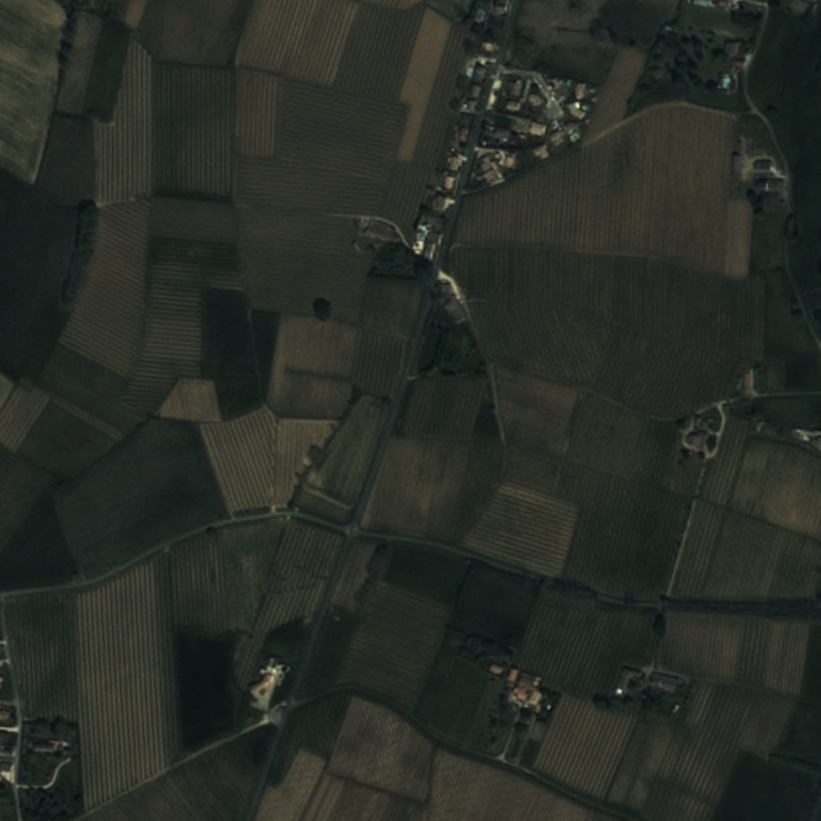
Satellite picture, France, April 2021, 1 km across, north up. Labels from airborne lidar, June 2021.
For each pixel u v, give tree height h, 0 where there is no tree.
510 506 0
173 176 0
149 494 0
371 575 15
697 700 0
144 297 0
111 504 0
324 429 0
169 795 0
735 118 0
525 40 0
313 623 0
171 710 0
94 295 0
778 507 0
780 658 0
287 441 0
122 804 0
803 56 0
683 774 0
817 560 0
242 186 0
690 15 0
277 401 0
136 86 0
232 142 0
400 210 0
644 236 0
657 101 0
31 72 0
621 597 0
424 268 21
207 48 0
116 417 0
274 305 0
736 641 0
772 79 0
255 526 0
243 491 0
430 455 0
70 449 0
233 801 0
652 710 13
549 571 0
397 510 0
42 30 0
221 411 0
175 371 0
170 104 0
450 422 0
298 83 0
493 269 0
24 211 0
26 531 0
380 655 0
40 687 0
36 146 0
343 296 0
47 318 0
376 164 0
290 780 0
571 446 0
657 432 0
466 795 0
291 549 0
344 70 0
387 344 0
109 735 0
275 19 0
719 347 0
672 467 0
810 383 0
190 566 0
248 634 0
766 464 0
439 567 0
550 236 0
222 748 0
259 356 0
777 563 0
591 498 0
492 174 0
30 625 0
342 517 0
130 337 0
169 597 0
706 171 0
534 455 0
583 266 0
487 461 0
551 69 0
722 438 0
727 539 0
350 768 0
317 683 0
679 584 0
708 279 0
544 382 0
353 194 0
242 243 0
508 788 0
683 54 16
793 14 9
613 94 0
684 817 0
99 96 0
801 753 0
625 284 0
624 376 0
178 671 0
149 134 0
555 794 0
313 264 0
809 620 13
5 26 0
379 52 0
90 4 11
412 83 0
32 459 0
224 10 0
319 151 0
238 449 0
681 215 0
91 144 0
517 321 0
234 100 0
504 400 0
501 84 0
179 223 0
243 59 0
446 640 0
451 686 0
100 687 0
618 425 0
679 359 0
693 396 0
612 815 0
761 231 0
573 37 0
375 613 0
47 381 0
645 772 0
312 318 0
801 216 0
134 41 0
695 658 0
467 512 0
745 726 0
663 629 11
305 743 0
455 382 0
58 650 0
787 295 0
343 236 0
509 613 0
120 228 0
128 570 0
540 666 0
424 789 0
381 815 0
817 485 0
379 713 0
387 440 0
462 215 0
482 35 17
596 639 0
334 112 0
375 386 0
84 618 0
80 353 0
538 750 0
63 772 0
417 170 0
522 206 0
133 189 0
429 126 0
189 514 0
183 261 0
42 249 0
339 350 0
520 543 0
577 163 0
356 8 0
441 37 0
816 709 0
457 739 0
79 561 0
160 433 0
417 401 0
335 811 0
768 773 0
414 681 0
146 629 0
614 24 0
